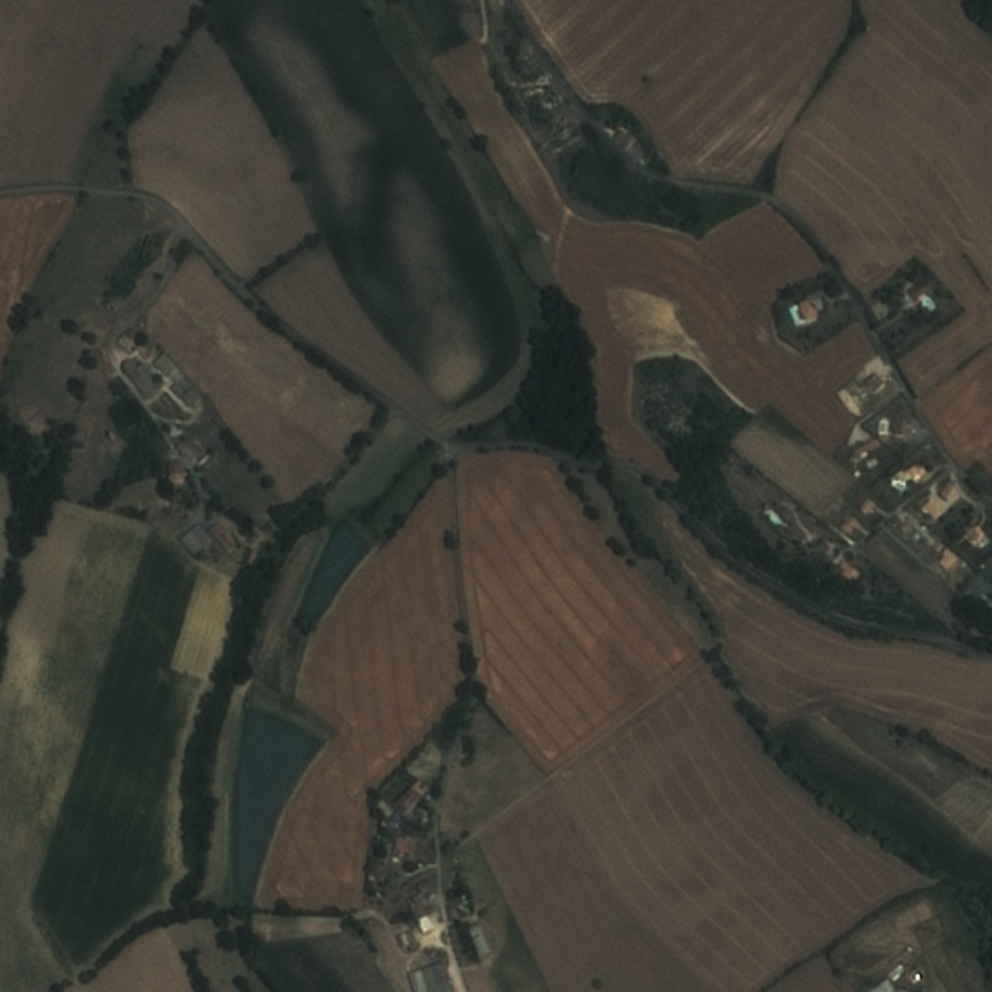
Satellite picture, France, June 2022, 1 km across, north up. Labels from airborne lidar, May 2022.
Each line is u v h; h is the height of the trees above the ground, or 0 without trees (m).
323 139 0
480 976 0
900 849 18
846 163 0
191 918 15
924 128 0
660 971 0
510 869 0
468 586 0
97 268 0
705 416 9
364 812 0
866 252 0
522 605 0
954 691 0
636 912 0
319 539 0
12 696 0
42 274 0
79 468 0
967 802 0
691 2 0
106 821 0
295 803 0
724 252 0
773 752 18
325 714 0
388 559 0
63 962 0
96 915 0
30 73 0
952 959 0
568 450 17
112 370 0
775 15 0
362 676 0
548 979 0
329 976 0
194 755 15
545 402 21
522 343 0
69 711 0
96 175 0
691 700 0
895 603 6
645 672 0
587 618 0
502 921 0
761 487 0
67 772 0
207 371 0
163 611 0
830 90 0
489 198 0
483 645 0
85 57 0
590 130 7
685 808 0
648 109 0
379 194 0
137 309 0
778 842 0
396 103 0
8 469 19
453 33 0
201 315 0
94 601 0
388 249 0
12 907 0
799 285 6
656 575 0
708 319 0
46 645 0
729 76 0
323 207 0
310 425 0
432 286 0
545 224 0
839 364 0
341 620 0
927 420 0
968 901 7
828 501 0
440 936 0
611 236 0
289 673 0
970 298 0
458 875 8
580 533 0
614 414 0
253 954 30
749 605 0
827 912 0
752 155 0
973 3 25
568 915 0
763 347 0
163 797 0
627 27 0
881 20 0
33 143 0
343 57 0
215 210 0
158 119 0
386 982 0
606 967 0
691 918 0
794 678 0
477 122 0
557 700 0
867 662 0
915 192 0
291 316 0
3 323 0
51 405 0
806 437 0
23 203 0
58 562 0
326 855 0
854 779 0
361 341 0
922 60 0
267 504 0
